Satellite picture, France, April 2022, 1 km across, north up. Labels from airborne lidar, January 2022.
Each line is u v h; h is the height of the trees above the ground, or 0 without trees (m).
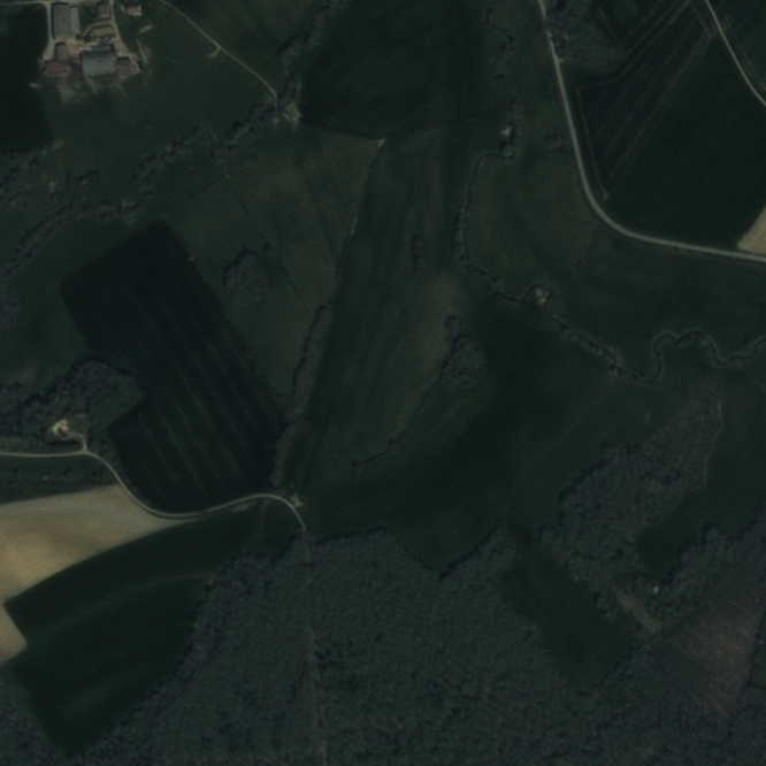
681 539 0
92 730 0
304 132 0
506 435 0
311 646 24
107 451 10
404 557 19
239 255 0
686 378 0
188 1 0
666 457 0
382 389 0
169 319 0
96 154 0
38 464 0
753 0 0
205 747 21
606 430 0
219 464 0
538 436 0
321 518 0
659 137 0
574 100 0
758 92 0
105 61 0
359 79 0
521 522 0
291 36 0
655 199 0
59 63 0
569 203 0
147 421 0
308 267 0
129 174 0
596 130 0
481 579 18
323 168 0
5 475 0
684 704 23
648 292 0
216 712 23
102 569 0
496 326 0
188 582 0
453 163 0
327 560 21
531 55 0
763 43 0
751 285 0
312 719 26
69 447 11
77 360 0
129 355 0
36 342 0
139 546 0
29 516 0
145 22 0
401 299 0
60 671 0
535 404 0
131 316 0
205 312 0
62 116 0
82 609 0
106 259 0
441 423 0
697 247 0
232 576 16
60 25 0
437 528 0
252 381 0
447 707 29
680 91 0
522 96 0
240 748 25
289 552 12
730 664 0
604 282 0
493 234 0
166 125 0
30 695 0
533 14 0
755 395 0
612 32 0
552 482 0
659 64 0
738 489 0
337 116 0
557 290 0
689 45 0
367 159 0
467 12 0
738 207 0
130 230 0
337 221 0
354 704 22
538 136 0
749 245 0
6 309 16
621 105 0
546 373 0
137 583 0
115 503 0
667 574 0
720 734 22
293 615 27
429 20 0
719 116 0
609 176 0
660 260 0
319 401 0
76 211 15
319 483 0
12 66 0
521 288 0
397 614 22
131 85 0
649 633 13
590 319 0
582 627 0
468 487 0
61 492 0
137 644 0
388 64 0
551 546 11
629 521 24
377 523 0
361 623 26
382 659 25
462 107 0
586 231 0
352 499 0
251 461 0
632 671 16
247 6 0
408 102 0
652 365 0
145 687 0
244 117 0
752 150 0
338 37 0
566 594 0
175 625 0
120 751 22
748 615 0
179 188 0
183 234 0
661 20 0
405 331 0
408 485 0
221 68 0
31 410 21
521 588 0
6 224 0
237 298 17
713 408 0
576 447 0
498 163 0
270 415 0
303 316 0
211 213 0
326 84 0
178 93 0
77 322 0
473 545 0
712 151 0
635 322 0
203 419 0
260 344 0
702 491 0
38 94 0
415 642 25
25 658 0
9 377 0
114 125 0
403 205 0
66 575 0
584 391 0
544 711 25
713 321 0
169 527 0
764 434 0
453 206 0
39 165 12
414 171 0
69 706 0
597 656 0
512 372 0
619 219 0
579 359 0
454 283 0
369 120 0
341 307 0
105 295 0
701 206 0
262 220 0
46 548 0
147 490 0
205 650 20
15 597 0
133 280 0
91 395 21
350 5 0
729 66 0
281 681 26
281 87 0
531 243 0
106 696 0
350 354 0
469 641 26
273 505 0
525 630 22
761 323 0
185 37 0
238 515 0
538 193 0
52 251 0
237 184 0
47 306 0
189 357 0
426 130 0
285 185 0
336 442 0
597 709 6
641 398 0
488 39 0
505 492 0
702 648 0
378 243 0
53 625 0
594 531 23
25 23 0
